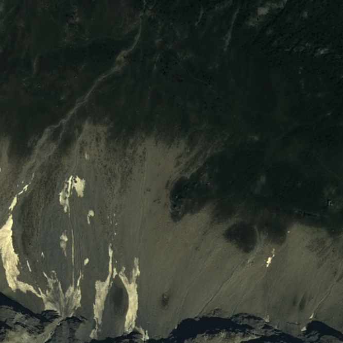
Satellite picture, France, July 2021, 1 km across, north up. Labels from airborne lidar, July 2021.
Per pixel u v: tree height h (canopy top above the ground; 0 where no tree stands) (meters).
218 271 0
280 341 0
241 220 0
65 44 0
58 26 0
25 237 0
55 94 0
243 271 0
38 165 0
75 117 0
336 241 0
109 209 0
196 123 0
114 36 0
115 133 0
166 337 0
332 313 0
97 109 0
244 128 0
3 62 0
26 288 0
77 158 0
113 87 0
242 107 0
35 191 0
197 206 0
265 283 0
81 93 0
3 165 0
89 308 0
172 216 0
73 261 0
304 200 0
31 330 0
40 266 0
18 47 0
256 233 0
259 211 0
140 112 0
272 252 0
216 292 0
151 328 0
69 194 0
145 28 0
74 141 0
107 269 0
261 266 0
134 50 0
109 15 0
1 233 0
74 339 0
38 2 0
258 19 11
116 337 0
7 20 0
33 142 0
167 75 7
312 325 0
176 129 0
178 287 0
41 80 0
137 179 0
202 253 0
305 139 0
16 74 0
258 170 0
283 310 0
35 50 0
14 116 0
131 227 0
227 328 0
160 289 0
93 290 0
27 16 0
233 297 0
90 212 0
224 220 0
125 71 0
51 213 0
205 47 0
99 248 0
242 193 0
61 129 0
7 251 0
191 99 0
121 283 0
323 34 10
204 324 0
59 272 0
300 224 0
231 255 0
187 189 0
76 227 0
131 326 0
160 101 0
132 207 0
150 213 0
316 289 0
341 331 0
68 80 0
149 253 0
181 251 0
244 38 0
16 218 0
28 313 0
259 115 0
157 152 0
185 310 0
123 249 0
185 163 0
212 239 0
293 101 0
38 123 0
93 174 0
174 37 0
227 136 0
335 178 0
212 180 0
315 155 0
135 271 0
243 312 0
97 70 0
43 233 0
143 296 0
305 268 0
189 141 0
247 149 0
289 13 10
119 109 0
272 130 0
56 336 0
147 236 0
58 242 0
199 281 0
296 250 0
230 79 0
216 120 0
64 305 0
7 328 0
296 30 10
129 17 0
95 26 0
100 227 0
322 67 7
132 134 0
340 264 0
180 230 0
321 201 0
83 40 0
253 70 0
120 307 0
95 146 0
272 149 0
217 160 0
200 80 0
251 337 0
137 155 0
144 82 0
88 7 0
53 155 0
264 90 0
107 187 0
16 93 0
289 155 0
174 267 0
